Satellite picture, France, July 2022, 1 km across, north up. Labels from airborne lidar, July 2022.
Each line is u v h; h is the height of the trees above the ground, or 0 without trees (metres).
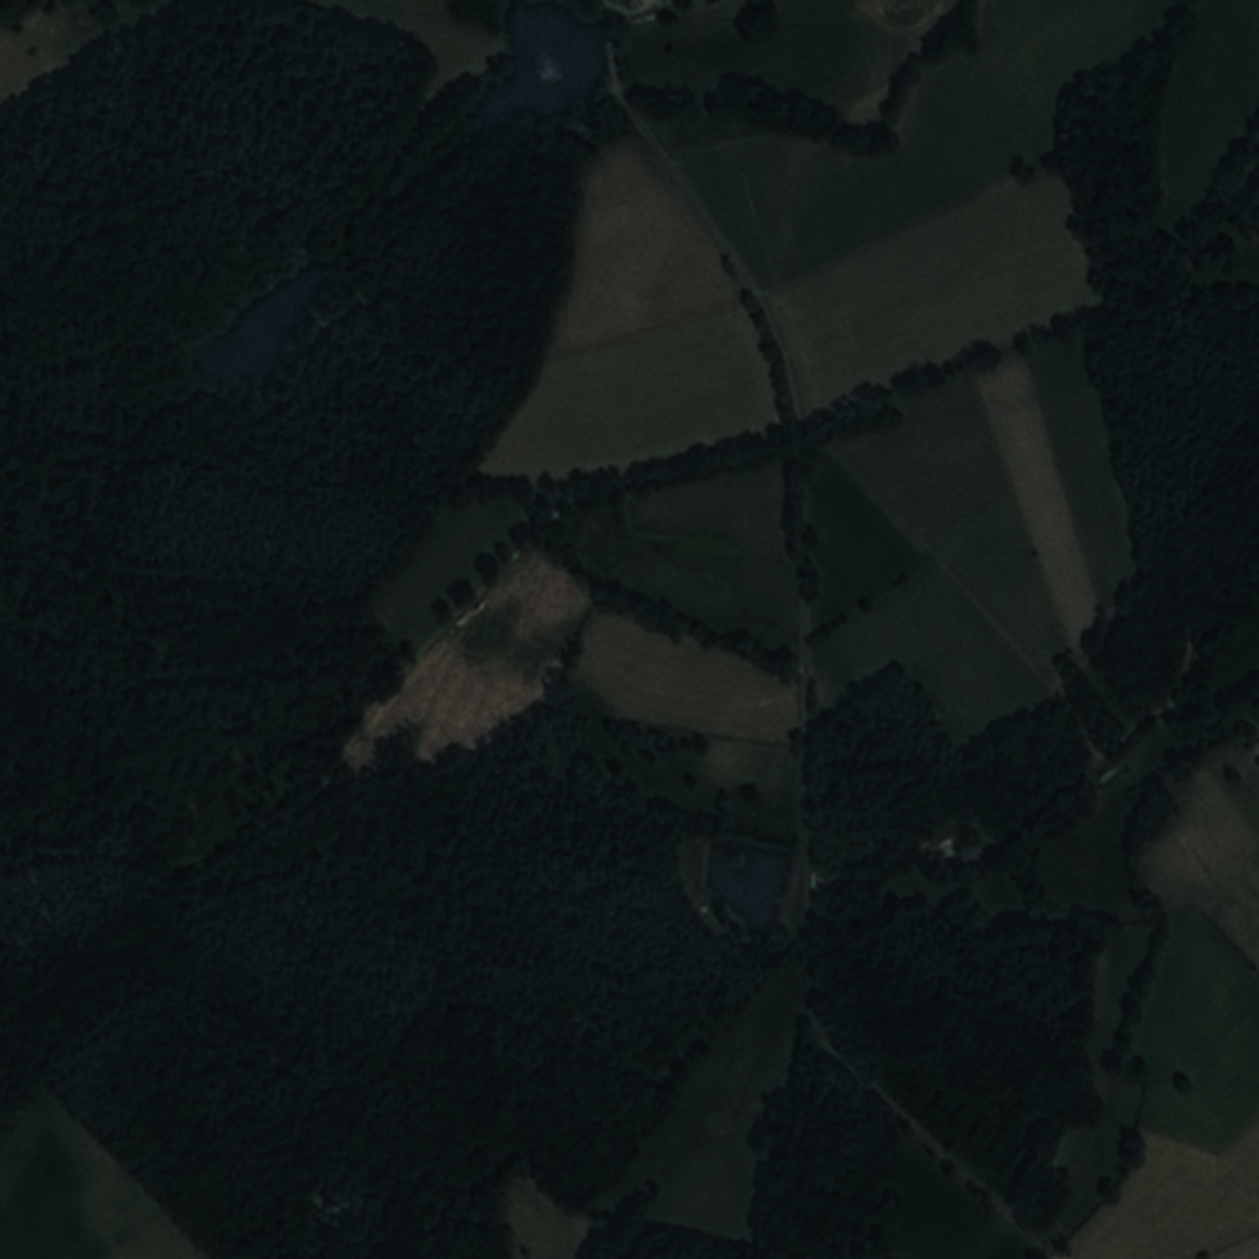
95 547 25
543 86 0
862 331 0
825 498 0
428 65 25
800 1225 31
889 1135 27
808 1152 28
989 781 18
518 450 0
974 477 0
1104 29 0
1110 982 0
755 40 20
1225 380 19
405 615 0
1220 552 20
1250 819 0
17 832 8
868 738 17
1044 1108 23
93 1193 0
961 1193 0
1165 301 19
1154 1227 0
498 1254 24
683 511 0
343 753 14
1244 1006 0
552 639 0
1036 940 16
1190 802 0
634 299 0
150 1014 25
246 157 6
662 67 0
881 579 0
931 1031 27
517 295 23
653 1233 19
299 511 23
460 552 0
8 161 28
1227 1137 0
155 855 23
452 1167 19
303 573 18
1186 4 10
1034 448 0
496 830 20
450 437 24
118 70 30
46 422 18
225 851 15
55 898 25
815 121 21
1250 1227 0
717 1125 0
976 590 0
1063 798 21
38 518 20
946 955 20
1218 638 23
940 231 0
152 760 22
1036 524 0
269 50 12
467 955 24
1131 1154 20
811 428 19
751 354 0
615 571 0
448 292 23
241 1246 24
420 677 0
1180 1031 0
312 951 20
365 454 25
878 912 16
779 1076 0
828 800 23
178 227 31
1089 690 15
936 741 15
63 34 0
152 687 19
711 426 0
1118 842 0
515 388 24
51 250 20
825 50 0
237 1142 22
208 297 23
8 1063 23
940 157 0
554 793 19
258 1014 26
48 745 25
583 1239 0
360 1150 17
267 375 7
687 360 0
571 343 0
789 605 0
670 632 15
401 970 31
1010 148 0
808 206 0
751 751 0
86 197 19
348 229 25
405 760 19
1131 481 15
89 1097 18
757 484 0
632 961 23
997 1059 27
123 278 22
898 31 0
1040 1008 15
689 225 0
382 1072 24
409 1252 27
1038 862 6
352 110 29
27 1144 0
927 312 0
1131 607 15
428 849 9
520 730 21
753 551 0
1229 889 0
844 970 24
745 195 0
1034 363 0
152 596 10
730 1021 13
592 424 0
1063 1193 16
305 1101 20
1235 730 11
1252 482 12
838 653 0
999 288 0
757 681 0
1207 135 0
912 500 0
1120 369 18
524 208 27
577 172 20
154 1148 16
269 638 9
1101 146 24
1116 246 17
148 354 16
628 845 20
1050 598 0
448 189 24
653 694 0
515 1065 24
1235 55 0
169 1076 24
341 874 12
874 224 0
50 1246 0
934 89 0
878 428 16
